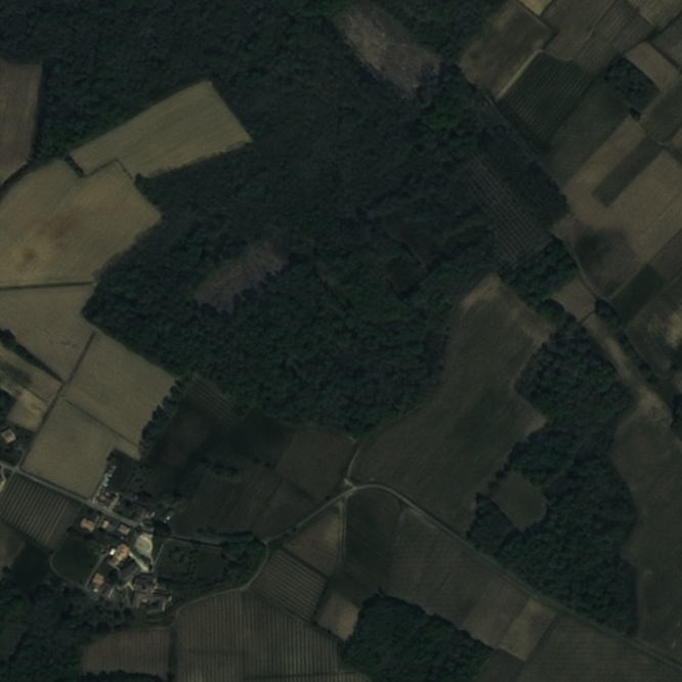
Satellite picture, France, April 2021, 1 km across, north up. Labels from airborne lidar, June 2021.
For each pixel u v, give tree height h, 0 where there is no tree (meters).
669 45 0
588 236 0
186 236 20
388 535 0
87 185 0
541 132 0
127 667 0
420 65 0
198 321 23
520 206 32
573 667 0
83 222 0
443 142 13
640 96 11
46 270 0
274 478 0
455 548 0
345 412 19
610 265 0
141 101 18
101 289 7
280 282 17
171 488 0
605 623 14
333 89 20
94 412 0
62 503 0
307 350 29
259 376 26
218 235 23
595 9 0
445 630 21
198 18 18
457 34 20
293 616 0
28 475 0
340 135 19
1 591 17
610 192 0
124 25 25
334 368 21
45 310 0
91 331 0
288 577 0
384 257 14
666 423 0
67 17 24
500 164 33
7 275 0
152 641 0
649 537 0
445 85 21
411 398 12
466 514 0
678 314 0
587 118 0
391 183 12
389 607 19
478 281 12
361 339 26
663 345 0
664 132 0
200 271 24
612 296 0
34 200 0
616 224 0
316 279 24
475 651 16
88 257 0
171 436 0
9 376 0
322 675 0
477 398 0
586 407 19
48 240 0
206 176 15
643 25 0
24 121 0
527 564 16
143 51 17
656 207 0
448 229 21
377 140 13
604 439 14
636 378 0
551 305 25
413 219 21
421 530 0
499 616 0
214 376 14
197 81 10
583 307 0
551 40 0
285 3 19
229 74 24
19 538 0
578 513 22
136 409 0
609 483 18
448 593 0
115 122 15
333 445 0
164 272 19
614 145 0
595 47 0
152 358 17
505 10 0
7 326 0
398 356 24
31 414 0
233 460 0
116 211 0
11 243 0
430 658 25
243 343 14
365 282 22
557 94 0
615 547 6
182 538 0
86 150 0
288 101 12
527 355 0
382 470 0
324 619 0
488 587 0
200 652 0
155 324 22
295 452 0
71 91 21
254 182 21
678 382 0
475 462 0
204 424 0
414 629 22
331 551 0
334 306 19
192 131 0
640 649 0
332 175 12
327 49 23
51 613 14
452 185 21
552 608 0
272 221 14
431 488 0
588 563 26
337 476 0
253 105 16
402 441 0
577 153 0
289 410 26
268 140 16
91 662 0
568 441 21
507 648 0
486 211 20
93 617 7
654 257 0
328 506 0
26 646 12
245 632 0
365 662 18
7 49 14
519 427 0
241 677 0
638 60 0
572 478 16
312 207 17
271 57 14
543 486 12
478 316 0
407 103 37
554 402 25
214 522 0
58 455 0
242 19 24
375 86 34
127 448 0
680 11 0
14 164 0
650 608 0
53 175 0
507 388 0
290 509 0
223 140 0
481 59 0
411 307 23
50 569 0
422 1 14
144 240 17
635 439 0
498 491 9
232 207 25
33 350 0
